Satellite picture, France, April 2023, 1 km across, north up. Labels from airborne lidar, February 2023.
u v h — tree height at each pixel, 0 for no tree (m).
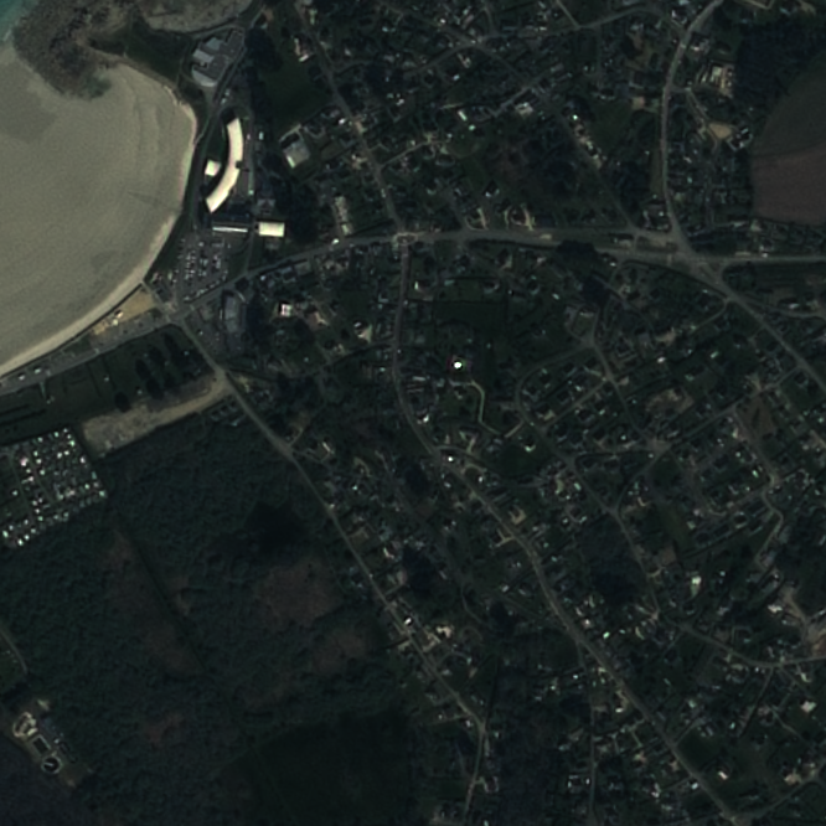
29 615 7
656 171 0
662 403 0
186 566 10
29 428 0
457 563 0
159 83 0
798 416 0
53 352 0
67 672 10
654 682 9
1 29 0
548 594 0
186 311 0
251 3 0
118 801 11
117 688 11
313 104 0
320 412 11
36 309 0
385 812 0
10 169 0
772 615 0
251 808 0
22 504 0
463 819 10
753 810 6
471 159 0
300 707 10
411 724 8
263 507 0
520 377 0
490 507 0
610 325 11
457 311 0
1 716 15
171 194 0
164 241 0
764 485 0
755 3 0
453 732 0
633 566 14
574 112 17
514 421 6
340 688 9
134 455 8
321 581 0
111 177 0
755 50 19
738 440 0
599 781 0
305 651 6
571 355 0
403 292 0
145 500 12
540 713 7
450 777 6
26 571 6
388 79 20
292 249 0
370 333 0
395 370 0
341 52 0
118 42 0
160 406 0
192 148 0
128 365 0
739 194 0
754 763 0
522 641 12
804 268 0
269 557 0
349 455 8
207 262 0
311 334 14
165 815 11
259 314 7
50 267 0
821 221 0
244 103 0
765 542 0
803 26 8
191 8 0
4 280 0
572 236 0
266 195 0
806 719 0
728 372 9
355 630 7
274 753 0
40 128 0
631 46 17
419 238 0
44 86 0
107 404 0
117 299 0
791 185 0
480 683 0
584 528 8
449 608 8
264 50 22
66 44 0
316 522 12
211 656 10
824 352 7
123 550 0
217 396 0
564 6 0
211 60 0
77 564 7
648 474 0
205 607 11
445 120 8
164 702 9
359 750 0
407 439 0
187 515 7
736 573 7
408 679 0
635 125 6
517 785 19
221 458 7
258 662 8
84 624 8
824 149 0
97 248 0
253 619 12
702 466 0
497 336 0
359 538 0
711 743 0
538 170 10
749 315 0
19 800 25
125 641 7
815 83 0
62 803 23
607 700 0
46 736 0
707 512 0
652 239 0
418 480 21
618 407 0
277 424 16
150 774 9
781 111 0
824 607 0
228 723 11
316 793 0
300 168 0
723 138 0
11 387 0
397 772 0
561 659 0
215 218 0
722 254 0
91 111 0
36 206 0
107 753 8
